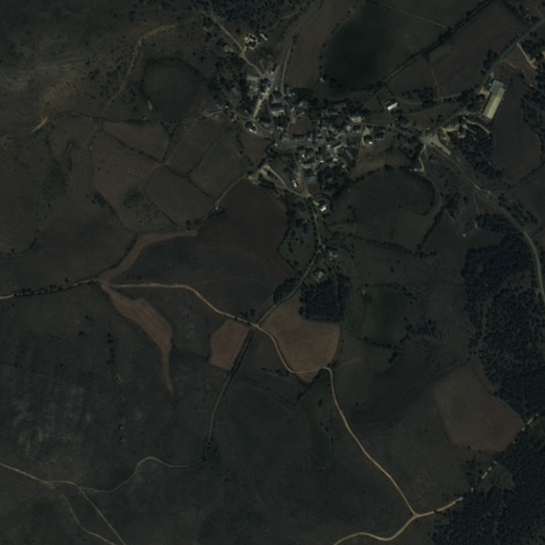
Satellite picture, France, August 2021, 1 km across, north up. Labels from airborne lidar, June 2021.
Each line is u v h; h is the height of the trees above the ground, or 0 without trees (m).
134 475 0
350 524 0
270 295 0
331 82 8
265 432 0
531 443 12
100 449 0
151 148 0
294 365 0
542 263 8
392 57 0
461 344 0
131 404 0
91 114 0
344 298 13
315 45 0
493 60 9
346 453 0
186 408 0
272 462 0
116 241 0
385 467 0
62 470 0
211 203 0
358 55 0
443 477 0
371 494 0
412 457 0
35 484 0
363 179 8
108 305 0
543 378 13
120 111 0
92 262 0
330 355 0
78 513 0
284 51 0
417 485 0
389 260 0
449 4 0
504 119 0
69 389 0
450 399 0
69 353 0
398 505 0
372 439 0
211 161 0
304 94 7
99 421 0
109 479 0
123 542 0
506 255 14
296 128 0
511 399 13
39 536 0
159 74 0
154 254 0
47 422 0
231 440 0
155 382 0
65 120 0
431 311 0
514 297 8
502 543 15
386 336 0
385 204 0
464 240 0
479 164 12
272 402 0
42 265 0
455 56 0
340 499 0
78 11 0
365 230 0
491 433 0
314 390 0
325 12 0
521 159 0
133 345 0
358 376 0
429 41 0
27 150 0
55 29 0
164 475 0
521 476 14
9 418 0
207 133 0
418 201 0
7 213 0
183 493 0
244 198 0
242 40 0
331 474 0
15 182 0
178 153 0
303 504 0
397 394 0
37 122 0
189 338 0
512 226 8
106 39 0
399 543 0
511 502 15
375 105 0
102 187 0
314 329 0
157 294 0
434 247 0
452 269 0
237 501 0
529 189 0
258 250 0
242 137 0
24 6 0
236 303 0
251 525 0
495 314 7
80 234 0
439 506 0
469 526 13
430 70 0
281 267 0
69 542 0
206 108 0
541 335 7
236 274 0
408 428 0
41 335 0
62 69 0
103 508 0
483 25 0
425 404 0
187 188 0
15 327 0
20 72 0
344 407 0
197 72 10
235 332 0
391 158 0
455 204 13
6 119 0
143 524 0
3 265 0
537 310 9
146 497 0
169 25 0
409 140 6
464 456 0
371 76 0
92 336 0
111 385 0
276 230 0
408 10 0
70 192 0
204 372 0
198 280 0
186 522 0
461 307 0
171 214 0
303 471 0
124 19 0
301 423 0
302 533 0
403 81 0
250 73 0
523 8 10
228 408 0
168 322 0
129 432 0
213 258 0
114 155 0
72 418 0
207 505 0
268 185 9
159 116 0
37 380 0
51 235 0
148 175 0
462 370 0
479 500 14
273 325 0
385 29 0
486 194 0
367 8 0
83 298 0
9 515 0
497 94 0
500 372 7
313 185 0
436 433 0
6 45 0
